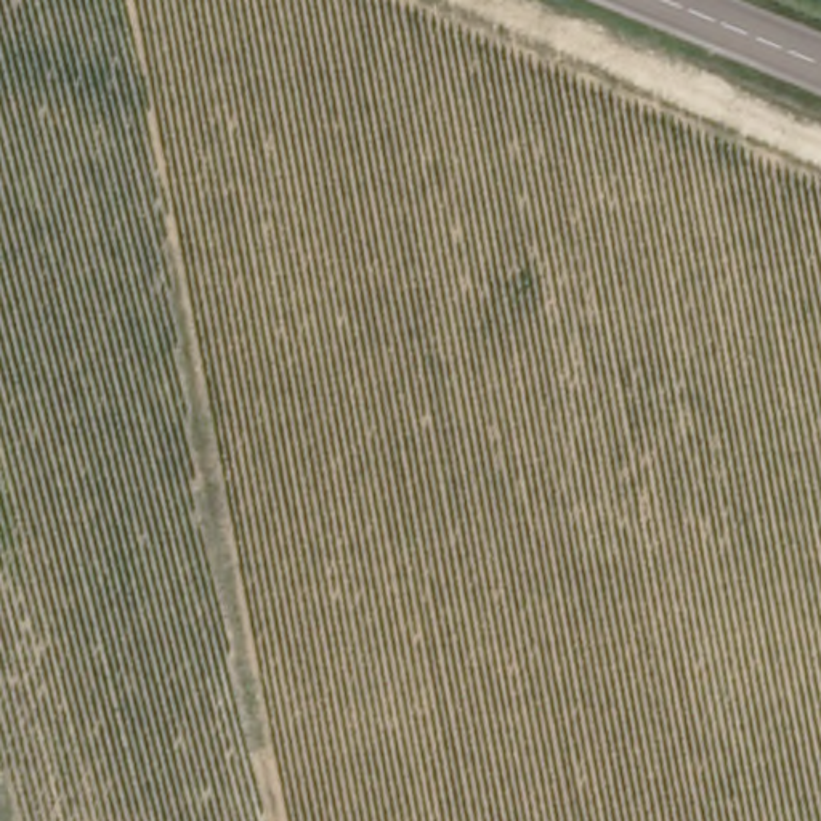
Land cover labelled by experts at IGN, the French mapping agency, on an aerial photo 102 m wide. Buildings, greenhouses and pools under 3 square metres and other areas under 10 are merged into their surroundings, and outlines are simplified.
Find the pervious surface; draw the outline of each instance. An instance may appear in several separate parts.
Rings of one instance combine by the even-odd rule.
[[[616,42],[597,22],[558,16],[536,0],[449,0],[494,22],[504,22],[513,32],[548,42],[558,51],[593,61],[613,71],[616,77],[654,90],[693,112],[712,115],[738,128],[741,135],[763,138],[805,160],[821,164],[821,125],[799,122],[766,106],[763,99],[741,93],[715,74],[706,74],[683,61],[670,61],[657,51],[638,51],[625,42]]]

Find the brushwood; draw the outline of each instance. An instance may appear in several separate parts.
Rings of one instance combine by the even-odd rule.
[[[786,16],[821,32],[821,0],[747,0],[760,10],[770,10],[776,16]]]

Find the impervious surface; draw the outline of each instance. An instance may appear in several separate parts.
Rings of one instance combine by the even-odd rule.
[[[731,58],[738,64],[747,64],[754,71],[763,71],[776,80],[795,83],[821,96],[821,32],[786,16],[776,16],[770,10],[760,10],[747,0],[590,0],[597,6],[606,6],[635,22],[645,22],[673,38],[683,38],[712,55]]]

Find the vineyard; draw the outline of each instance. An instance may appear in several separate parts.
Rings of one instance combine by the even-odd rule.
[[[558,51],[548,42],[513,32],[504,22],[494,22],[449,0],[0,0],[0,821],[821,821],[821,164],[805,160],[763,138],[741,135],[738,128],[712,115],[693,112],[654,90],[616,77],[613,71],[593,61]]]

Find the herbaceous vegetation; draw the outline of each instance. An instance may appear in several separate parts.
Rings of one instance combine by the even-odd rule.
[[[741,93],[763,99],[766,106],[799,122],[821,125],[821,96],[795,83],[776,80],[763,71],[754,71],[747,64],[738,64],[731,58],[712,55],[683,38],[673,38],[645,22],[635,22],[606,6],[597,6],[590,0],[536,0],[558,16],[597,22],[616,42],[625,42],[638,51],[657,51],[670,61],[683,61],[706,74],[715,74]]]

